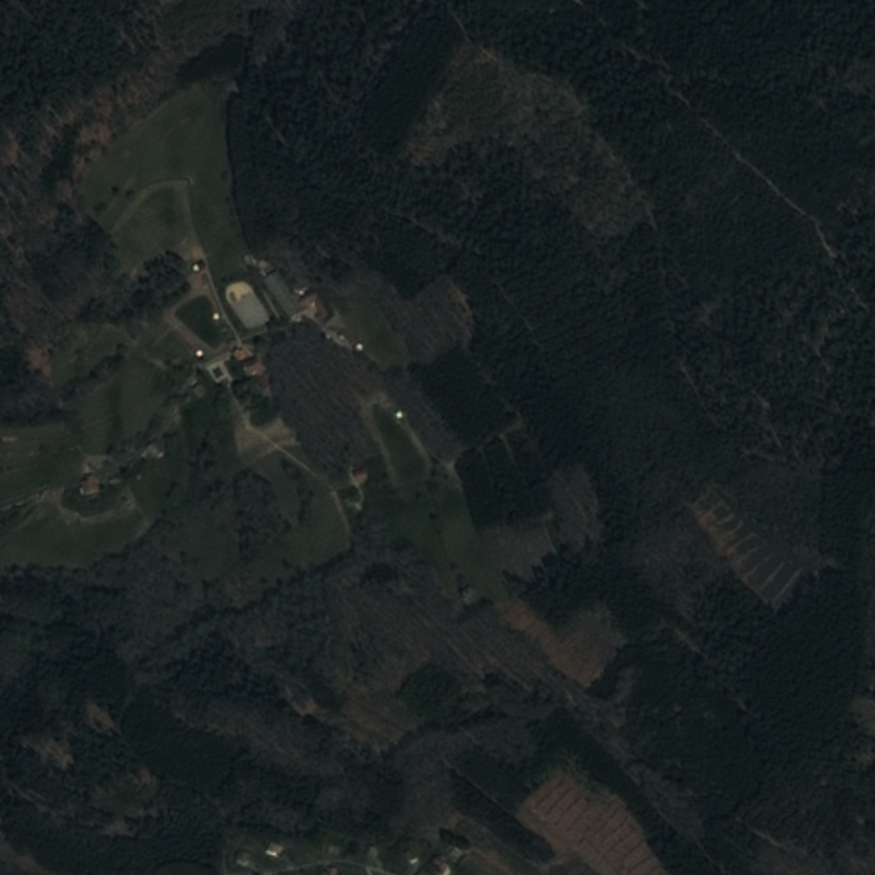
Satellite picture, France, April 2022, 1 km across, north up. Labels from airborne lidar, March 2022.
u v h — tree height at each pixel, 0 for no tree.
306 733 28
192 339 0
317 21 24
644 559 23
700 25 26
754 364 12
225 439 0
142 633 23
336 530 0
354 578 24
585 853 0
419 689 8
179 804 31
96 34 28
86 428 0
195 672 24
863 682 25
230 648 19
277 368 23
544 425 20
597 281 9
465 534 0
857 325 24
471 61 7
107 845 17
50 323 28
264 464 0
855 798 17
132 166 0
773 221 8
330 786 22
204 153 0
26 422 23
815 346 17
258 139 26
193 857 23
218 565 0
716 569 22
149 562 21
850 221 7
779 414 13
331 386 30
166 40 6
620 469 20
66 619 15
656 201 11
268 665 22
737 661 23
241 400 8
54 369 0
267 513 22
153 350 0
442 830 23
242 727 26
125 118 10
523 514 17
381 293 28
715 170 8
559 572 26
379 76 13
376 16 8
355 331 0
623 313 20
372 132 29
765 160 7
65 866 24
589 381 21
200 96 0
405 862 0
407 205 24
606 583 22
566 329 23
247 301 0
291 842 19
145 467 8
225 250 0
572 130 9
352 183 22
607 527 15
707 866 24
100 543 0
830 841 20
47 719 24
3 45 28
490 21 10
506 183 14
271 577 0
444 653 30
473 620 23
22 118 31
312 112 16
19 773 18
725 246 8
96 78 26
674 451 21
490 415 17
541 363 21
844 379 18
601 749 10
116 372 15
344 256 27
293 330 20
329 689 8
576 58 15
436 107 13
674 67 22
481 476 12
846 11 23
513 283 19
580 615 28
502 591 0
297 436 24
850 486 23
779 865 25
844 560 20
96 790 21
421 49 28
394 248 24
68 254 27
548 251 19
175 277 20
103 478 0
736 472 18
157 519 0
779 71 23
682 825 26
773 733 23
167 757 7
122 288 18
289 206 27
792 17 22
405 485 0
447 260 12
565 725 16
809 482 18
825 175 9
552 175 9
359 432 31
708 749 7
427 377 21
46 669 30
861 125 7
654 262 15
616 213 13
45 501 0
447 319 29
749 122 10
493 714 6
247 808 20
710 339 24
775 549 0
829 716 23
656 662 9
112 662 21
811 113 14
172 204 0
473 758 25
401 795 28
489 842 0
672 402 17
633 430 21
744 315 17
